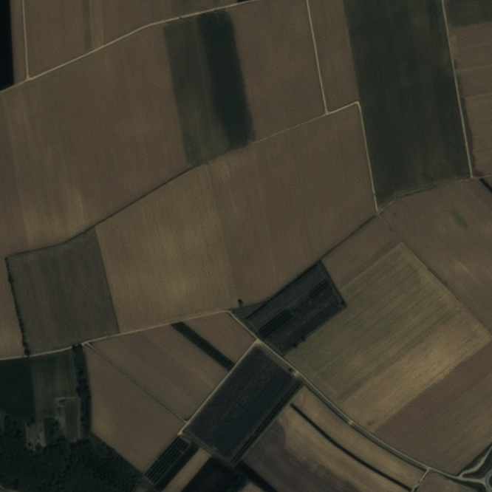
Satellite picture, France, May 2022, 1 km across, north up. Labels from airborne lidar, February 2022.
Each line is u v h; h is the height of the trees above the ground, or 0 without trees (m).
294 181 0
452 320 0
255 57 0
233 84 0
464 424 0
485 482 0
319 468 0
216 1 0
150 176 0
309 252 0
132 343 0
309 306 0
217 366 0
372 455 0
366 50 0
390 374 0
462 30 0
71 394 0
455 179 0
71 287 0
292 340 0
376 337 0
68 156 0
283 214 0
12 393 0
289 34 0
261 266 0
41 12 0
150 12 0
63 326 0
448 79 0
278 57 0
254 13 0
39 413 0
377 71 0
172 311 0
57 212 0
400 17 0
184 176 0
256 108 0
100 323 0
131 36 0
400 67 0
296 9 0
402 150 0
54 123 0
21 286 0
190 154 0
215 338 0
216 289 0
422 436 0
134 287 0
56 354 0
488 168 0
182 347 0
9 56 0
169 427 0
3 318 0
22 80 0
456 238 0
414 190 0
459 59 0
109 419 0
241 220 0
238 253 0
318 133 0
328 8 0
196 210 0
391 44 0
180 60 0
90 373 0
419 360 0
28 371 0
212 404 0
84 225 0
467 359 0
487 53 0
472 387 0
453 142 0
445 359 0
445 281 0
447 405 0
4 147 0
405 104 0
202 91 0
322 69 0
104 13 0
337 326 0
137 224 0
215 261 0
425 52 0
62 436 0
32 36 0
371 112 0
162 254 0
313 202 0
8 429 9
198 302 0
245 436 0
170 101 0
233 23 0
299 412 0
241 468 0
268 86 0
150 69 0
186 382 0
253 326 0
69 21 0
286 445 0
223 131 0
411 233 0
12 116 0
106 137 0
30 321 0
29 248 0
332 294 0
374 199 0
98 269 0
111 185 0
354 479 0
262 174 0
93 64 0
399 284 0
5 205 0
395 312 0
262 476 0
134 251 0
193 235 0
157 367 0
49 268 0
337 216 0
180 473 0
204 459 0
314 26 0
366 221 0
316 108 0
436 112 0
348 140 0
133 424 0
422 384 0
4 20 0
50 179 0
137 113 0
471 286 0
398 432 0
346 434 0
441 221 0
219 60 0
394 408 0
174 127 0
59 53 0
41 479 16
